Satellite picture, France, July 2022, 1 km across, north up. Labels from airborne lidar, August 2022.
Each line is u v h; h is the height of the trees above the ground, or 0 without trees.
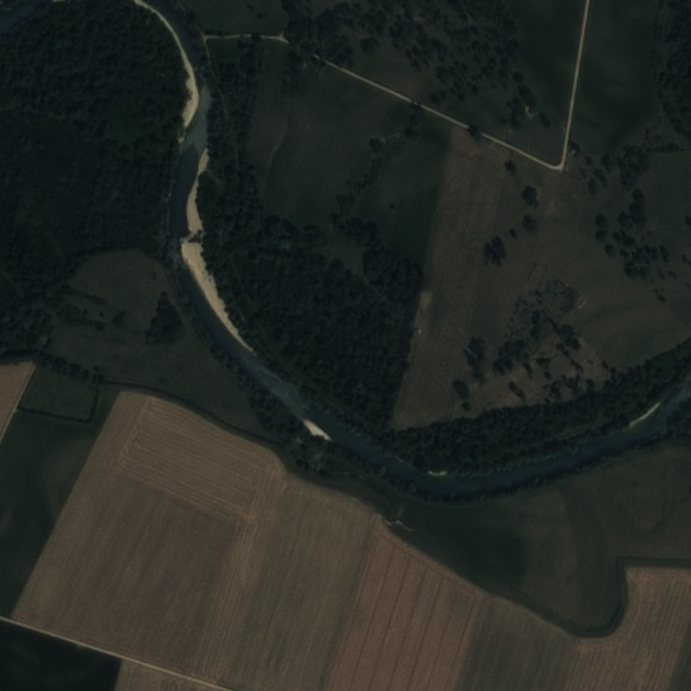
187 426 0
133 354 0
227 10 0
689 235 0
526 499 0
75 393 0
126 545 0
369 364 10
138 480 0
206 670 0
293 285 6
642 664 0
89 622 0
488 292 0
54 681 0
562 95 0
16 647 0
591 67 0
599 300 0
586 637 0
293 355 20
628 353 0
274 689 0
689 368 17
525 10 0
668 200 0
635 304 0
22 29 14
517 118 13
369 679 0
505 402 0
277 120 0
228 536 0
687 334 0
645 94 0
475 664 0
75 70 14
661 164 0
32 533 0
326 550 0
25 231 11
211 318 0
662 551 0
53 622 0
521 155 0
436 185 0
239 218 21
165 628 0
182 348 0
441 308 0
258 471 0
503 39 18
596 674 0
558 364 0
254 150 0
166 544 0
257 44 17
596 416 8
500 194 0
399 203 0
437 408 0
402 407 0
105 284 0
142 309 0
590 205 0
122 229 21
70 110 16
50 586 0
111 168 14
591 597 0
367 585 0
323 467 0
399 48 16
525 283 0
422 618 0
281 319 6
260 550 0
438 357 0
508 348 15
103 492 0
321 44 6
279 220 16
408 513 0
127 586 0
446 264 0
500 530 0
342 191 0
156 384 0
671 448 0
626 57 0
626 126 0
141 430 0
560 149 0
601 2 0
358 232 30
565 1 0
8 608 0
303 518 0
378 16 19
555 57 0
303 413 0
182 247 0
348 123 0
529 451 15
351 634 0
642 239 0
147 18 19
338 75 0
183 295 13
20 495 0
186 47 0
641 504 0
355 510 0
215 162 16
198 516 0
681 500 0
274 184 0
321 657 0
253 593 0
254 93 8
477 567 0
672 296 0
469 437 20
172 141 10
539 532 0
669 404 0
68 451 0
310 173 0
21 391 0
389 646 0
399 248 0
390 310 17
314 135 0
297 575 0
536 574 0
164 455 0
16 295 13
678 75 6
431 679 0
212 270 8
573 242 0
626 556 0
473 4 20
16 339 19
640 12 0
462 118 0
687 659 0
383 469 13
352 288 9
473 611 0
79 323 7
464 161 0
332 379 15
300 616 0
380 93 0
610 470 0
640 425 0
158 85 6
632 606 0
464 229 0
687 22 12
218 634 0
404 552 0
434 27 18
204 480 0
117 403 0
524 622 0
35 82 8
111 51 6
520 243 0
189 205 0
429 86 0
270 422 12
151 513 0
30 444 0
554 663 0
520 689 0
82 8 11
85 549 0
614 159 16
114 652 0
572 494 0
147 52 11
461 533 0
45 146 6
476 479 0
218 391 0
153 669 0
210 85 13
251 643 0
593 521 0
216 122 22
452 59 10
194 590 0
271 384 0
